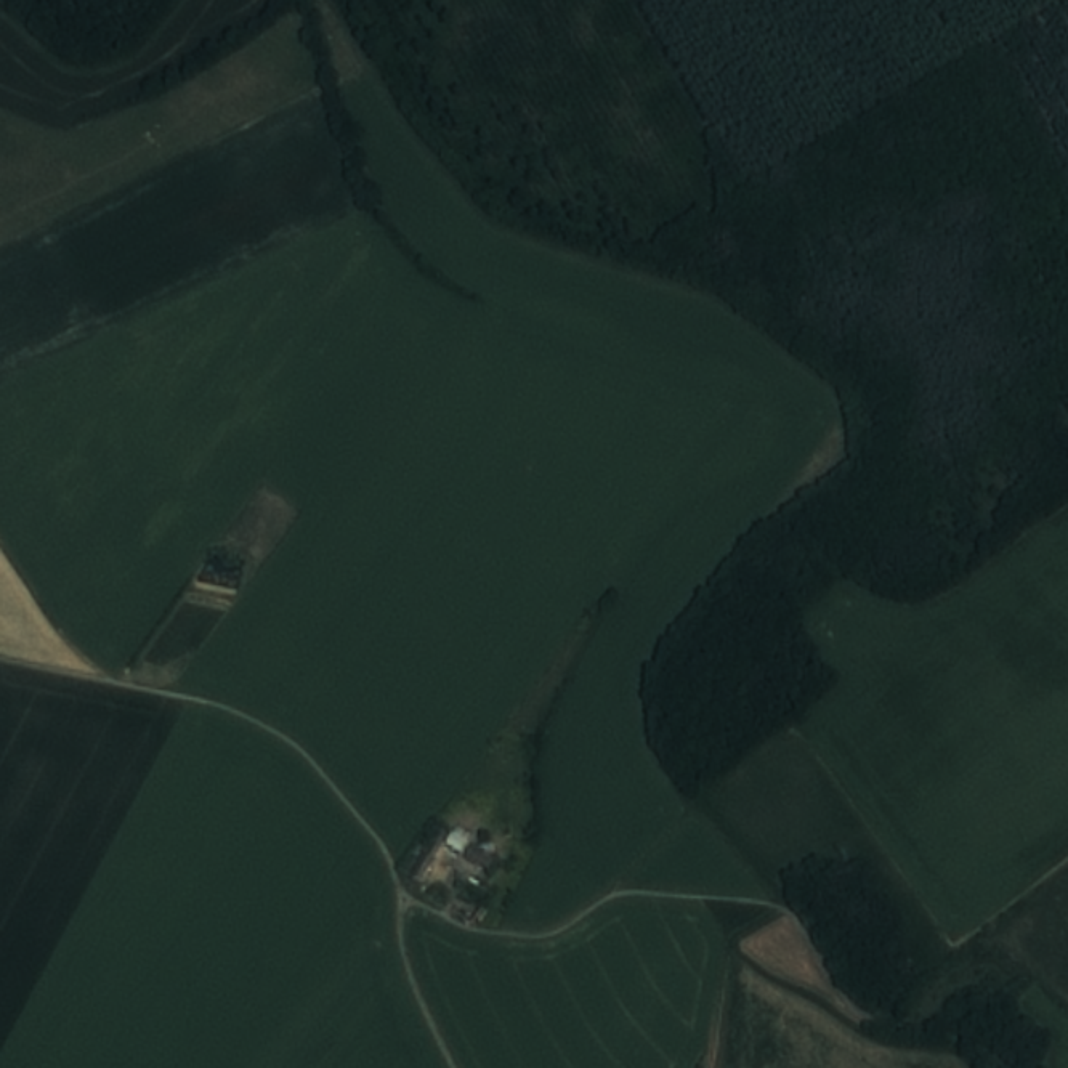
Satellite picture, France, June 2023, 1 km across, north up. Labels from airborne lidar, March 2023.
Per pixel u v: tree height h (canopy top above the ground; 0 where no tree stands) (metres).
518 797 0
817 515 23
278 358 0
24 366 0
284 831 0
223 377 0
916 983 11
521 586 0
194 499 0
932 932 0
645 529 0
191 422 0
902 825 0
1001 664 0
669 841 0
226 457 0
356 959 0
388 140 0
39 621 0
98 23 19
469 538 0
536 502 0
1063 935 0
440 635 0
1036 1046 16
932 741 0
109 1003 0
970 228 17
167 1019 0
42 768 0
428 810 0
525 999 0
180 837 0
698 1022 0
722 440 0
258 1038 0
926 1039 18
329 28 0
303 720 0
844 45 25
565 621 0
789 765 0
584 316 0
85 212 0
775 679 23
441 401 0
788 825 0
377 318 0
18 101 0
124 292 0
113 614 0
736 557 15
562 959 0
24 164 0
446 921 0
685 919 0
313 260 0
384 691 0
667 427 0
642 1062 0
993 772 0
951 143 19
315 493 0
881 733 0
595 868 0
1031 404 19
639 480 0
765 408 0
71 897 0
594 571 0
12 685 0
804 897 10
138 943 0
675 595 0
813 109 26
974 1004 19
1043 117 15
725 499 0
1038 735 0
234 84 0
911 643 0
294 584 0
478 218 0
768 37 27
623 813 0
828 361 18
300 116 0
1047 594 0
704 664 24
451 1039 0
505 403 0
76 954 0
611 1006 0
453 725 0
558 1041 0
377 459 0
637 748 0
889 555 18
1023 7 22
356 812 0
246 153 0
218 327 0
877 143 22
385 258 0
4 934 0
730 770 17
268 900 0
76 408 0
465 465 0
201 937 0
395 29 8
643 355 0
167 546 0
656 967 0
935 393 18
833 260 21
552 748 0
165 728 0
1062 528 0
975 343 18
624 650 0
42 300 0
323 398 0
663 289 0
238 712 0
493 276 0
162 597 0
